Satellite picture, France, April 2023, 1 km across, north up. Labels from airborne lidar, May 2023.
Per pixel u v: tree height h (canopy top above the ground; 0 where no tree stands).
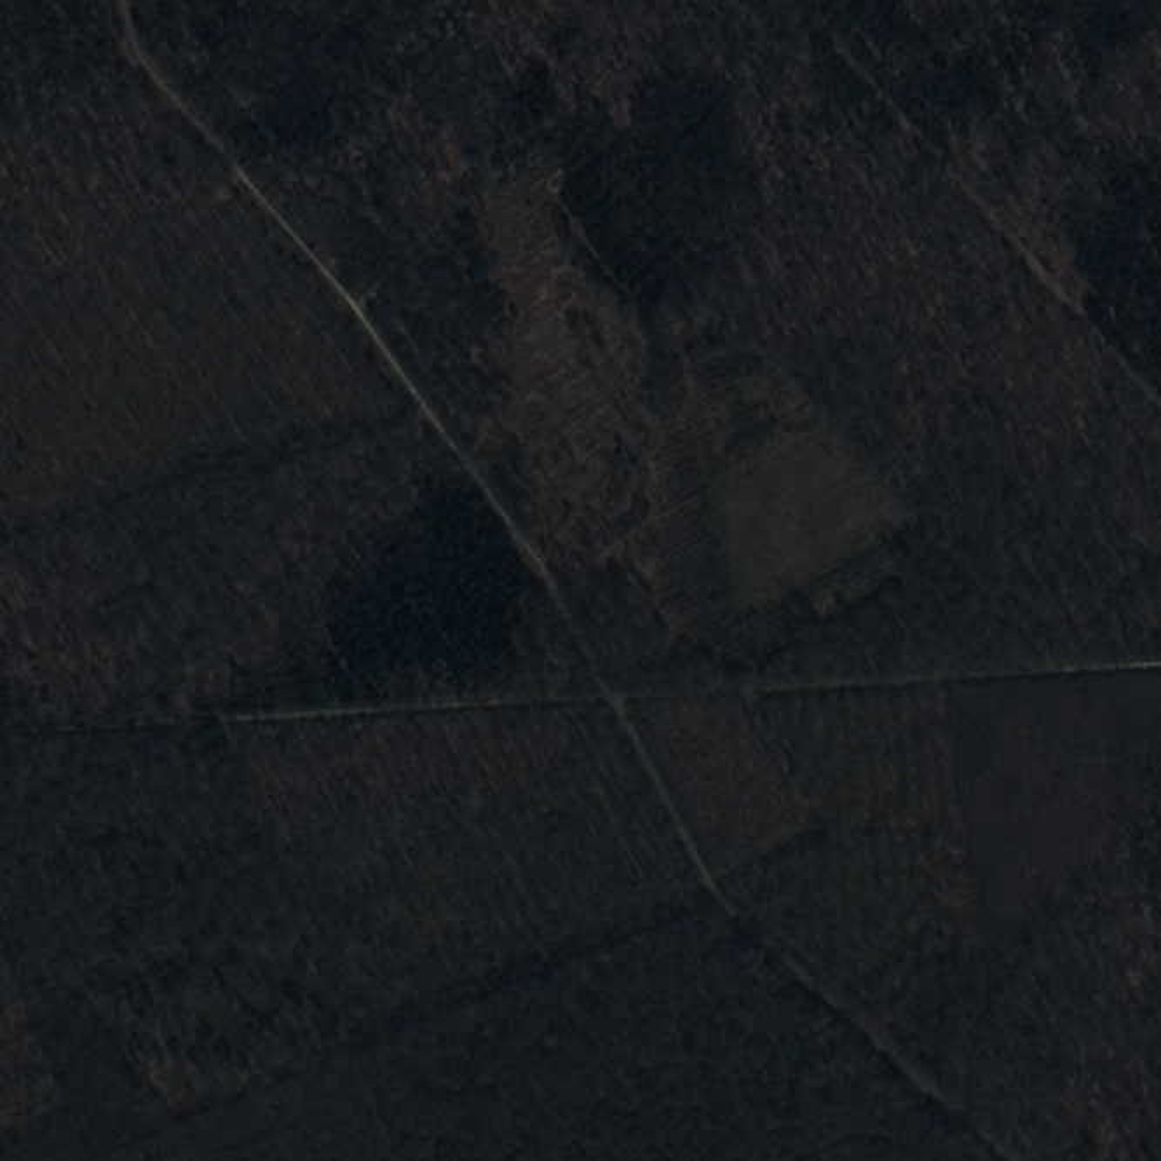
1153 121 19
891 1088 25
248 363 16
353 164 26
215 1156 16
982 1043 27
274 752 11
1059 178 16
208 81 11
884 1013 18
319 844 18
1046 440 22
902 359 6
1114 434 21
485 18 24
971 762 15
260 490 18
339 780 13
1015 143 24
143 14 15
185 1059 25
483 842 15
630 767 18
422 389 16
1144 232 16
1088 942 22
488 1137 25
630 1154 22
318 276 15
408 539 23
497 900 14
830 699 16
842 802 12
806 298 26
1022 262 15
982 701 14
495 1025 27
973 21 17
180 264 16
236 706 12
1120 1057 29
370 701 16
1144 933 24
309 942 26
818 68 19
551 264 0
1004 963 24
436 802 14
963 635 24
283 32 20
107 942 26
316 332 15
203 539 18
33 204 27
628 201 11
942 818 15
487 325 24
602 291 23
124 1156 16
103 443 15
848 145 19
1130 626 20
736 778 18
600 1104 24
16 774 25
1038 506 8
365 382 14
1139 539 24
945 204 19
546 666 27
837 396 28
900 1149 27
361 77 19
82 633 27
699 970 24
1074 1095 20
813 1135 31
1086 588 26
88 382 16
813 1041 24
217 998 28
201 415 15
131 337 15
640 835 19
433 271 23
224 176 24
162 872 27
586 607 19
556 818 18
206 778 27
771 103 19
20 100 23
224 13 7
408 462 24
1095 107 18
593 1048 23
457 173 9
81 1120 13
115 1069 18
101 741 19
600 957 22
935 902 13
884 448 28
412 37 17
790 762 16
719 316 22
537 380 0
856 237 17
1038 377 22
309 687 12
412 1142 26
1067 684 14
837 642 28
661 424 23
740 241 22
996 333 18
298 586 20
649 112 18
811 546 0
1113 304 14
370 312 12
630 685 18
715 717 17
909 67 15
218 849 17
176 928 27
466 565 30
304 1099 17
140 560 19
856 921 14
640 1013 25
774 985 18
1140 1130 20
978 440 26
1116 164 17
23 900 29
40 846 26
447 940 17
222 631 24
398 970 15
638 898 19
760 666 25
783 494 0
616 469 21
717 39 17
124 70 22
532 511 21
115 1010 26
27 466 14
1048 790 11
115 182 24
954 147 20
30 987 25
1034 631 26
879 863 16
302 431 10
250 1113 17
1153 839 9
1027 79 18
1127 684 10
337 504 26
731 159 21
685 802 19
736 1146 22
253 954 33
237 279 15
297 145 21
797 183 19
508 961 15
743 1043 24
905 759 15
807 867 15
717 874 15
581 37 26
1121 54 21
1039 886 8
